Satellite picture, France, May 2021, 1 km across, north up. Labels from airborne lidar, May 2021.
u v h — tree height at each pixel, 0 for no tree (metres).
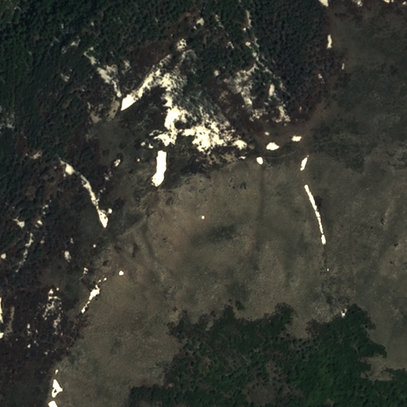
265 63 21
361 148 0
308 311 0
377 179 0
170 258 0
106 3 18
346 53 0
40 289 6
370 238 0
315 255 0
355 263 0
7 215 8
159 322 0
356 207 0
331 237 0
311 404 15
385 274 0
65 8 12
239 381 21
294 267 0
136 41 9
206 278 0
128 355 0
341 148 0
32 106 9
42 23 21
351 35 0
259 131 0
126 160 0
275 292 0
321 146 0
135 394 12
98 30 13
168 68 6
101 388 0
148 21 13
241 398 10
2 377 12
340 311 0
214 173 0
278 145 0
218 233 0
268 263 0
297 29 10
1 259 0
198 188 0
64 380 0
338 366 9
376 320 0
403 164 0
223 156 0
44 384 0
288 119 0
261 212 0
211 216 0
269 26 12
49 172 10
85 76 10
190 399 10
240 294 0
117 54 12
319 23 8
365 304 0
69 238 8
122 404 0
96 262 0
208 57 11
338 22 0
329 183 0
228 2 14
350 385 13
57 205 12
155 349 0
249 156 0
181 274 0
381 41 0
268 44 15
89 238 0
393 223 0
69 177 11
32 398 0
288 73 12
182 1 13
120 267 0
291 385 25
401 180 0
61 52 5
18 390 0
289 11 10
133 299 0
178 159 0
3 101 7
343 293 0
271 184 0
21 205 11
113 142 0
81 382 0
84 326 6
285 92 13
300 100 9
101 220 0
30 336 7
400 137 0
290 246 0
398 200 0
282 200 0
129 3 20
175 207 0
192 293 0
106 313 0
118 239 0
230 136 0
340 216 0
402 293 0
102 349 0
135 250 0
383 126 0
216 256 0
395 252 0
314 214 0
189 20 22
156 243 0
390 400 12
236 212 0
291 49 11
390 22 0
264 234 0
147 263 0
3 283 9
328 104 0
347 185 0
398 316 0
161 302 0
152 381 0
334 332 14
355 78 0
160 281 0
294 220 0
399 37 0
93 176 14
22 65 10
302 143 0
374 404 17
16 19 25
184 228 0
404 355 0
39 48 14
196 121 6
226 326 8
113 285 0
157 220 0
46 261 8
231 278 0
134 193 0
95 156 11
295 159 0
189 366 15
